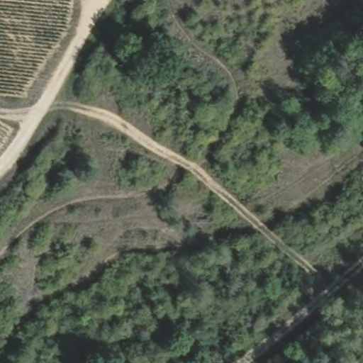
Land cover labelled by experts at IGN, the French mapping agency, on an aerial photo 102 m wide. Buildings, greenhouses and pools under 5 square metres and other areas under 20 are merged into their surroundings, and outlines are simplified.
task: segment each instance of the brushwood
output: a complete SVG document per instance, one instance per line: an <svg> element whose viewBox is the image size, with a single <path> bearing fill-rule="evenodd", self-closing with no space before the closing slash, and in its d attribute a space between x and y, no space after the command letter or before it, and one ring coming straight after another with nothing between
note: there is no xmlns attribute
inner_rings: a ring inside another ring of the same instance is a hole
<svg viewBox="0 0 363 363"><path fill-rule="evenodd" d="M156 0L145 0L138 10L133 11L133 18L140 20L149 17L152 28L153 35L159 43L163 44L164 40L170 40L172 37L163 27L166 24L167 10L159 10Z"/></svg>
<svg viewBox="0 0 363 363"><path fill-rule="evenodd" d="M336 21L330 26L328 38L315 33L305 34L305 50L295 69L295 75L291 78L292 81L298 82L295 88L279 86L272 79L265 79L261 86L261 96L250 98L242 95L237 98L228 91L230 86L223 84L224 77L218 75L218 72L210 71L206 77L200 74L199 69L187 67L187 61L177 61L176 71L169 84L163 81L156 85L156 88L147 88L146 85L136 84L136 81L125 77L116 69L116 62L108 54L113 50L109 45L109 37L116 31L123 31L121 24L105 9L94 17L91 33L84 45L79 48L74 67L57 95L61 99L78 101L116 113L160 145L169 147L173 152L200 164L217 183L230 191L245 207L250 208L252 213L257 214L269 230L281 235L288 247L301 252L315 267L315 271L305 272L299 265L292 264L288 255L277 258L279 247L275 244L267 247L261 233L245 223L244 218L238 216L227 203L218 199L203 181L196 179L189 170L183 169L179 164L157 156L155 160L135 152L126 152L121 159L121 166L116 169L115 180L121 190L130 190L133 187L136 193L147 191L149 204L155 208L157 218L162 223L169 227L183 225L183 240L167 242L162 248L119 247L118 257L96 265L91 275L84 278L79 272L78 264L82 264L85 255L91 251L91 238L82 238L81 247L74 248L71 242L64 244L57 237L54 238L54 227L40 221L28 234L28 248L40 255L35 269L34 286L43 291L44 298L31 299L28 302L28 312L21 316L17 312L13 298L14 279L24 275L23 269L18 265L21 258L14 254L20 240L10 240L10 231L21 218L26 218L31 213L31 208L37 204L38 197L43 197L45 201L51 197L55 201L69 199L72 193L77 193L82 181L91 180L89 156L78 146L81 129L77 125L55 118L54 125L47 130L43 138L37 142L31 139L13 169L6 174L0 173L0 363L75 363L78 353L84 346L99 350L116 350L123 354L125 363L234 363L247 353L247 350L254 349L255 343L267 343L265 329L269 323L277 319L286 322L292 318L292 313L303 308L308 309L308 313L313 312L315 308L326 309L332 306L340 296L352 294L363 284L363 160L343 176L342 181L330 184L322 199L306 200L292 210L281 210L275 206L272 199L261 204L257 197L254 197L254 193L259 189L268 189L272 183L278 181L277 173L284 170L279 153L285 147L305 157L320 149L320 152L335 157L346 150L357 149L363 140L363 132L337 122L337 99L320 102L316 96L325 92L326 86L320 84L319 79L325 77L326 69L339 68L349 44L353 40L363 41L363 0L349 0L337 11ZM189 333L194 342L189 353L170 357L169 353L164 352L162 339L164 330L169 325L183 326L181 330Z"/></svg>

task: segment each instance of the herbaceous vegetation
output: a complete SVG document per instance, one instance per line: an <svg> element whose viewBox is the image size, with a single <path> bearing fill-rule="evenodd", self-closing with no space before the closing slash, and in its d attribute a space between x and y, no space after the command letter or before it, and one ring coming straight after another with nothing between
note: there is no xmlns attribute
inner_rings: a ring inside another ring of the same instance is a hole
<svg viewBox="0 0 363 363"><path fill-rule="evenodd" d="M91 180L82 181L77 193L72 193L69 199L55 201L51 197L45 201L43 197L38 197L37 204L31 208L31 213L26 218L21 218L10 231L10 240L20 240L14 254L21 258L18 265L23 269L24 275L14 279L13 298L17 312L21 316L28 312L28 302L31 299L44 298L43 291L34 286L35 269L40 255L28 248L28 234L40 221L54 227L54 238L57 237L64 244L71 242L74 248L81 247L82 238L91 238L91 251L85 255L82 264L78 264L79 272L84 278L91 275L96 265L118 257L119 247L162 248L167 242L183 240L183 225L169 227L162 223L157 218L155 208L149 204L147 191L136 193L133 187L130 190L121 190L115 180L116 169L121 166L121 159L126 152L135 152L155 160L157 156L152 150L146 149L108 123L67 109L55 109L45 113L31 139L37 142L43 138L47 130L54 125L55 118L77 125L81 129L78 146L89 156Z"/></svg>
<svg viewBox="0 0 363 363"><path fill-rule="evenodd" d="M166 24L163 27L172 37L179 38L177 50L174 51L174 58L177 61L187 61L187 67L199 69L200 74L206 77L210 71L218 72L218 75L224 77L223 84L230 86L228 91L237 98L242 95L250 98L261 96L261 86L265 79L272 79L279 86L295 88L298 82L292 81L291 78L295 75L295 69L305 50L305 34L315 33L328 38L330 26L336 21L337 11L349 0L156 0L159 10L167 10Z"/></svg>
<svg viewBox="0 0 363 363"><path fill-rule="evenodd" d="M133 18L133 11L138 10L145 0L111 0L105 9L121 24L123 31L136 34L138 31L149 31L152 28L149 17L140 20Z"/></svg>
<svg viewBox="0 0 363 363"><path fill-rule="evenodd" d="M254 193L254 197L257 197L261 204L272 199L275 206L281 210L292 210L306 200L322 199L330 184L342 181L343 176L363 160L363 140L357 149L346 150L335 157L320 152L320 149L305 157L285 147L279 153L284 170L277 173L278 181L272 183L268 189L259 189Z"/></svg>

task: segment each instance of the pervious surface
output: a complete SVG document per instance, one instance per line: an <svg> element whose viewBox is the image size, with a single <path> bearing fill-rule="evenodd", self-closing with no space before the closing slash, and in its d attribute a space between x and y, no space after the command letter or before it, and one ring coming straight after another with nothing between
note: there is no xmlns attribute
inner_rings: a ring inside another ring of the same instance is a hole
<svg viewBox="0 0 363 363"><path fill-rule="evenodd" d="M227 203L238 216L244 218L245 223L261 233L267 247L275 244L279 247L277 258L288 255L292 264L299 265L305 272L315 271L315 267L301 252L288 247L281 235L269 230L257 214L252 213L250 208L245 207L230 191L217 183L200 164L173 152L169 147L160 145L116 113L78 101L61 99L57 95L74 67L79 48L84 45L91 33L94 17L105 9L111 0L81 0L81 17L77 33L69 43L60 64L52 72L43 95L30 108L3 108L0 111L0 116L9 121L16 121L20 125L16 138L0 155L0 173L6 174L13 169L31 139L45 113L55 109L67 109L108 123L146 149L152 150L157 156L179 164L183 169L189 170L196 179L203 181L218 199Z"/></svg>
<svg viewBox="0 0 363 363"><path fill-rule="evenodd" d="M303 308L292 313L292 318L286 322L277 319L269 323L265 329L267 343L255 343L254 349L247 350L247 353L234 363L251 363L255 357L267 352L268 345L275 345L282 336L288 335L291 330L289 326L294 320L308 316L308 313L308 309Z"/></svg>

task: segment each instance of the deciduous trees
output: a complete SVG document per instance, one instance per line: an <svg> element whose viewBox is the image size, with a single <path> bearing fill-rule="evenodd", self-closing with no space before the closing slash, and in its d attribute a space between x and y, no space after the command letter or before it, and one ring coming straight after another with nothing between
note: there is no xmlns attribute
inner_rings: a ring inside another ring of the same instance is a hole
<svg viewBox="0 0 363 363"><path fill-rule="evenodd" d="M349 44L339 68L326 69L325 77L319 79L320 84L326 86L325 92L316 96L320 102L337 99L337 122L363 132L363 41L353 40Z"/></svg>
<svg viewBox="0 0 363 363"><path fill-rule="evenodd" d="M109 37L109 45L113 50L108 54L116 62L116 69L125 77L136 81L136 84L146 85L147 88L156 88L156 85L163 81L169 84L176 71L177 61L174 58L174 51L177 50L179 38L172 37L170 40L164 40L163 44L159 43L153 35L152 28L149 31L138 31L136 34L123 31L116 31Z"/></svg>
<svg viewBox="0 0 363 363"><path fill-rule="evenodd" d="M123 354L116 350L99 350L84 346L78 353L75 363L125 363Z"/></svg>
<svg viewBox="0 0 363 363"><path fill-rule="evenodd" d="M162 339L164 352L169 353L170 357L189 353L194 342L189 333L181 330L183 326L169 325L164 330Z"/></svg>

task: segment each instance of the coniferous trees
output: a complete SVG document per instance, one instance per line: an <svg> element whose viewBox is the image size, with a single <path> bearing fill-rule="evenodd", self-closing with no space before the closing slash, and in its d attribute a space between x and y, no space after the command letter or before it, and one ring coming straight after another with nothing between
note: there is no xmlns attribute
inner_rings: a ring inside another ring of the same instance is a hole
<svg viewBox="0 0 363 363"><path fill-rule="evenodd" d="M294 320L289 326L291 330L288 335L282 336L275 345L268 345L267 352L255 357L251 363L363 363L363 284L352 294L340 296L332 306L326 309L315 308L313 312L308 313L308 316Z"/></svg>

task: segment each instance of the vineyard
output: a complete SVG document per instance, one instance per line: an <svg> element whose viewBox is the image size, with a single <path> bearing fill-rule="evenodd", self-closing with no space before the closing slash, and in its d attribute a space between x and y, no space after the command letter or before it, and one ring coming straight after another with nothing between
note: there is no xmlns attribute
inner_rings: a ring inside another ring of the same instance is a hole
<svg viewBox="0 0 363 363"><path fill-rule="evenodd" d="M16 138L20 125L16 121L9 121L0 116L0 155Z"/></svg>
<svg viewBox="0 0 363 363"><path fill-rule="evenodd" d="M0 111L3 108L30 108L43 95L52 72L60 64L69 43L77 33L81 17L81 0L0 0Z"/></svg>

